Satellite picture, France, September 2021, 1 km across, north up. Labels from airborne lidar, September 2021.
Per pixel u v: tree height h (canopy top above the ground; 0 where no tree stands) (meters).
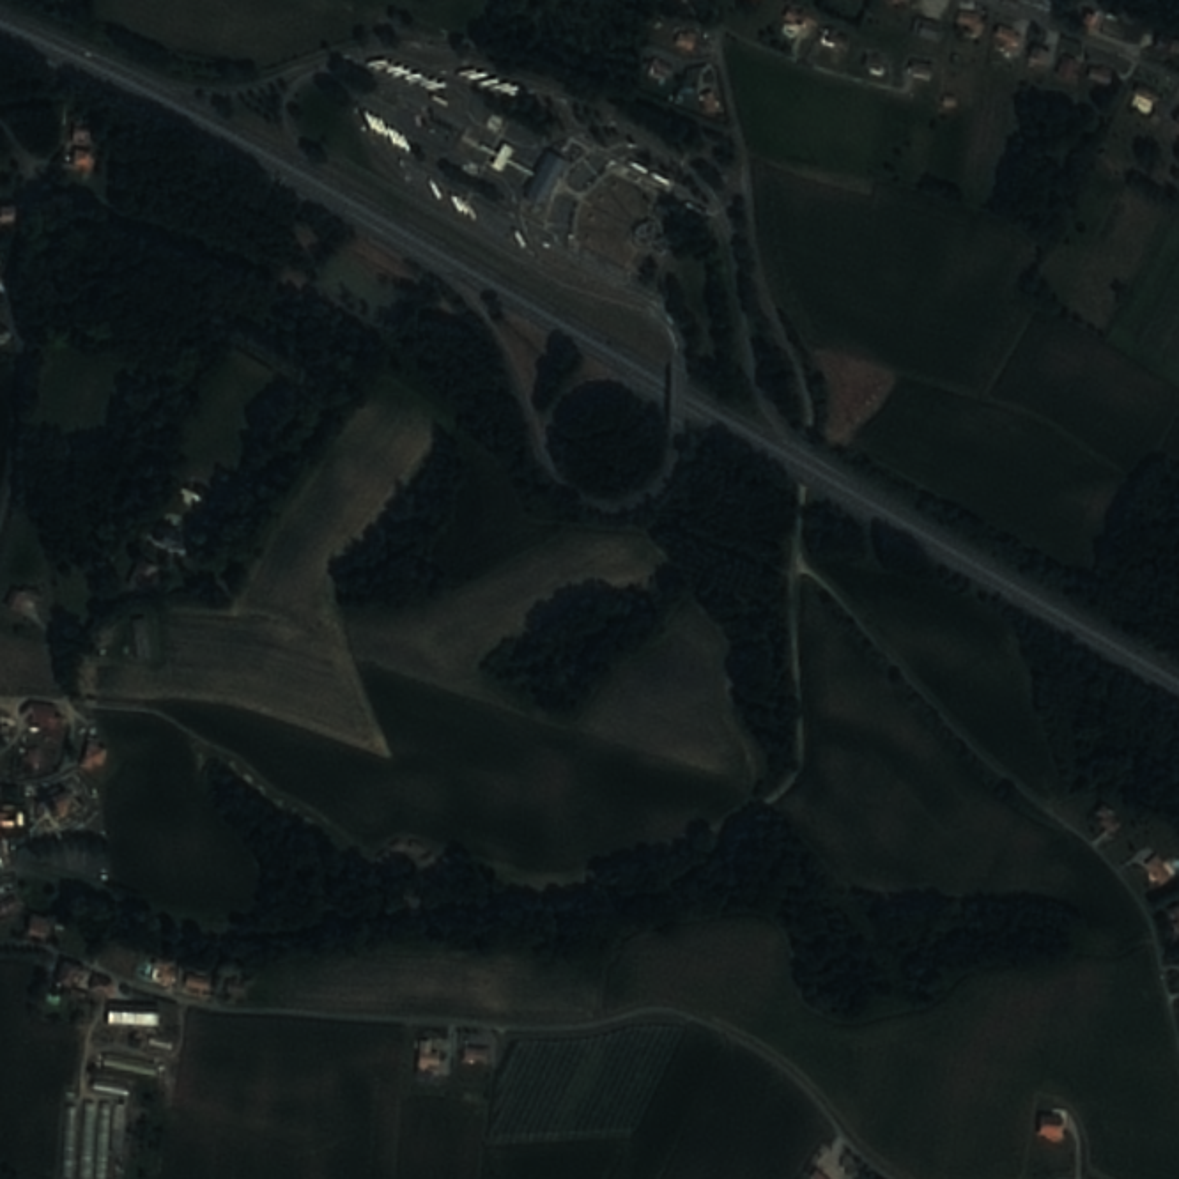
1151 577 16
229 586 28
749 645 24
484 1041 0
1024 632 15
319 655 0
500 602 0
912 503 6
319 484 0
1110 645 0
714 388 17
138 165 19
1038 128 11
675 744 0
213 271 24
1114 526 18
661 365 0
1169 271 0
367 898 32
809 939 17
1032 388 0
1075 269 0
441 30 0
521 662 23
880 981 12
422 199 0
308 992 0
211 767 6
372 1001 0
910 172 0
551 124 14
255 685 0
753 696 27
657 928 14
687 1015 0
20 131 18
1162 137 0
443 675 0
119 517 32
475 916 30
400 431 0
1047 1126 0
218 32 0
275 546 0
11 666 0
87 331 26
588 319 0
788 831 13
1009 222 17
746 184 0
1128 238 0
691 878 26
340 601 9
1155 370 0
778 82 0
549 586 0
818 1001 18
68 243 25
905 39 0
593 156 0
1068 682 19
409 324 15
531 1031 0
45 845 11
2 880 0
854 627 8
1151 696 11
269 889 23
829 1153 0
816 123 0
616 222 0
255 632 0
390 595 22
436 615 0
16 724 0
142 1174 5
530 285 0
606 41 10
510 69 15
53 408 0
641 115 14
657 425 18
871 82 0
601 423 23
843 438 0
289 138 0
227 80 14
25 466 15
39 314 19
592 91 16
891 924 21
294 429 28
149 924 27
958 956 17
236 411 0
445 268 0
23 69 17
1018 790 9
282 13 0
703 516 17
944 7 0
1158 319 0
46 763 0
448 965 0
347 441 0
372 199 0
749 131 0
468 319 15
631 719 0
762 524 19
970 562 0
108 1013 0
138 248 26
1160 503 15
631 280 0
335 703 0
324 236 11
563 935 32
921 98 0
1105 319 0
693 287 0
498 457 20
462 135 0
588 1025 0
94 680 0
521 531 0
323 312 18
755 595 20
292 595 0
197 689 0
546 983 0
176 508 0
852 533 17
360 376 26
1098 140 17
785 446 0
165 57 13
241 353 25
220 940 9
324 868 28
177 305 30
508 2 11
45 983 15
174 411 28
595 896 22
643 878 25
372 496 0
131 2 0
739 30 0
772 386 19
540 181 0
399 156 0
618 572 0
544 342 0
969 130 0
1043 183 15
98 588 20
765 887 31
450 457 12
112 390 0
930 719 6
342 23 0
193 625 0
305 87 0
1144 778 21
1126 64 0
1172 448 0
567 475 18
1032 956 21
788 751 18
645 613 26
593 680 21
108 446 18
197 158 12
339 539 0
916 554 22
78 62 0
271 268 6
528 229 0
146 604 24
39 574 0
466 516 0
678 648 0
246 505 31
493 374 20
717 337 13
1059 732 9
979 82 0
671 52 0
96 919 20
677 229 14
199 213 15
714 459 17
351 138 0
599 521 10
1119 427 0
